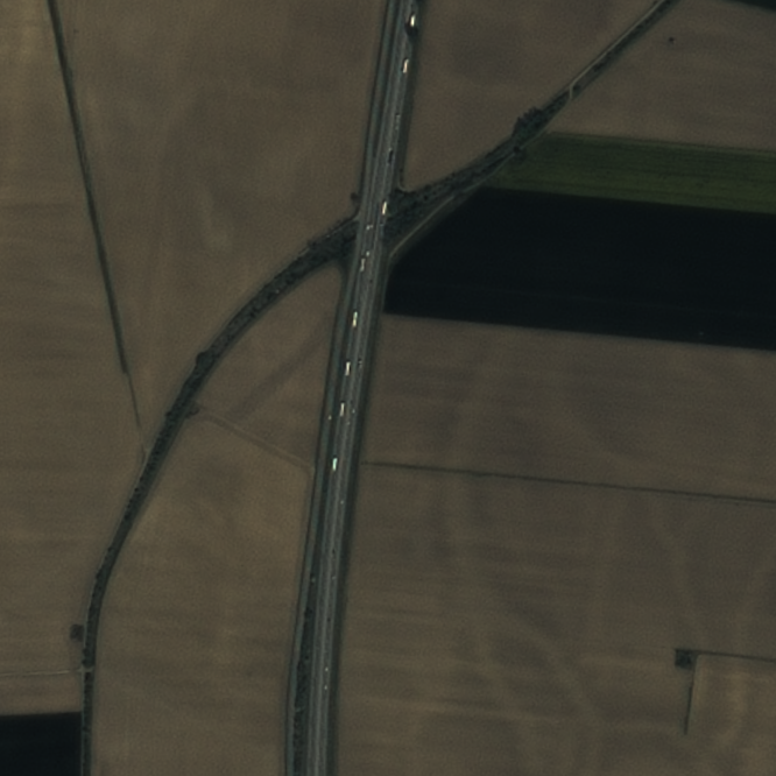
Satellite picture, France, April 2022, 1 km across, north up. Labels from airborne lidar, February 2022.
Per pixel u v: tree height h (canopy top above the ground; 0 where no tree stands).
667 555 0
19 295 0
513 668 0
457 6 0
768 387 0
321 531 0
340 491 0
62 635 0
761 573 0
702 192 0
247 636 0
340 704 0
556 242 0
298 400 0
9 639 0
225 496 0
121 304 0
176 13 0
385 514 0
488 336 0
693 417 0
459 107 0
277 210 0
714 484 0
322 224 0
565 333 0
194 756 0
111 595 0
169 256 0
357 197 8
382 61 0
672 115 0
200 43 0
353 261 0
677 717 0
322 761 0
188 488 0
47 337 0
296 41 0
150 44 0
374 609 0
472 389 0
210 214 0
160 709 0
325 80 0
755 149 0
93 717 0
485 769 0
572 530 0
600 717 0
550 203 0
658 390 0
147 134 0
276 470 0
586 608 0
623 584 0
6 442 0
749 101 0
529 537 0
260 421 0
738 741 0
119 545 0
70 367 0
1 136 0
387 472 0
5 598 0
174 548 0
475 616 0
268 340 0
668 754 0
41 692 0
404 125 0
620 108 0
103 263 0
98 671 0
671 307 0
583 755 0
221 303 0
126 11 0
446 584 0
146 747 0
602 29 0
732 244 0
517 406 0
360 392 0
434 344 0
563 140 0
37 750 0
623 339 0
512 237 0
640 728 0
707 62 0
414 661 0
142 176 0
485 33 0
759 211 0
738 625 0
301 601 0
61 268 0
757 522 0
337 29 0
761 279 0
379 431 0
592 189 0
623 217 0
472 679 0
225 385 0
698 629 0
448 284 0
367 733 0
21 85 0
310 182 0
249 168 0
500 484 0
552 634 0
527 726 0
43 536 0
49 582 0
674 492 0
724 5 0
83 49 0
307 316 0
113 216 0
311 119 0
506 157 0
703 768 0
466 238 0
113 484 0
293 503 0
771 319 0
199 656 0
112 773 0
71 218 0
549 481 0
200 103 0
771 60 0
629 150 0
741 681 0
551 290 0
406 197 7
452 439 0
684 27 0
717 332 0
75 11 0
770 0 0
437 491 0
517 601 0
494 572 0
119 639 0
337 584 0
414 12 0
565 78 0
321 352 0
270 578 0
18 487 0
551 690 0
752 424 0
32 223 0
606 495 0
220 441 0
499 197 0
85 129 0
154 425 0
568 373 0
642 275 0
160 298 0
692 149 0
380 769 0
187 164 0
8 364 0
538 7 0
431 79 0
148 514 0
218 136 0
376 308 0
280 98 0
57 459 0
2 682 0
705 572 0
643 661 0
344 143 0
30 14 0
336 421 0
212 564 0
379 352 0
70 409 0
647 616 0
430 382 0
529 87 0
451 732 0
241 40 0
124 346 0
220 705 0
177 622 0
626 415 0
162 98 0
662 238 0
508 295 0
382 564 0
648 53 0
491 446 0
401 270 0
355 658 0
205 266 0
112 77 0
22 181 0
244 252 0
